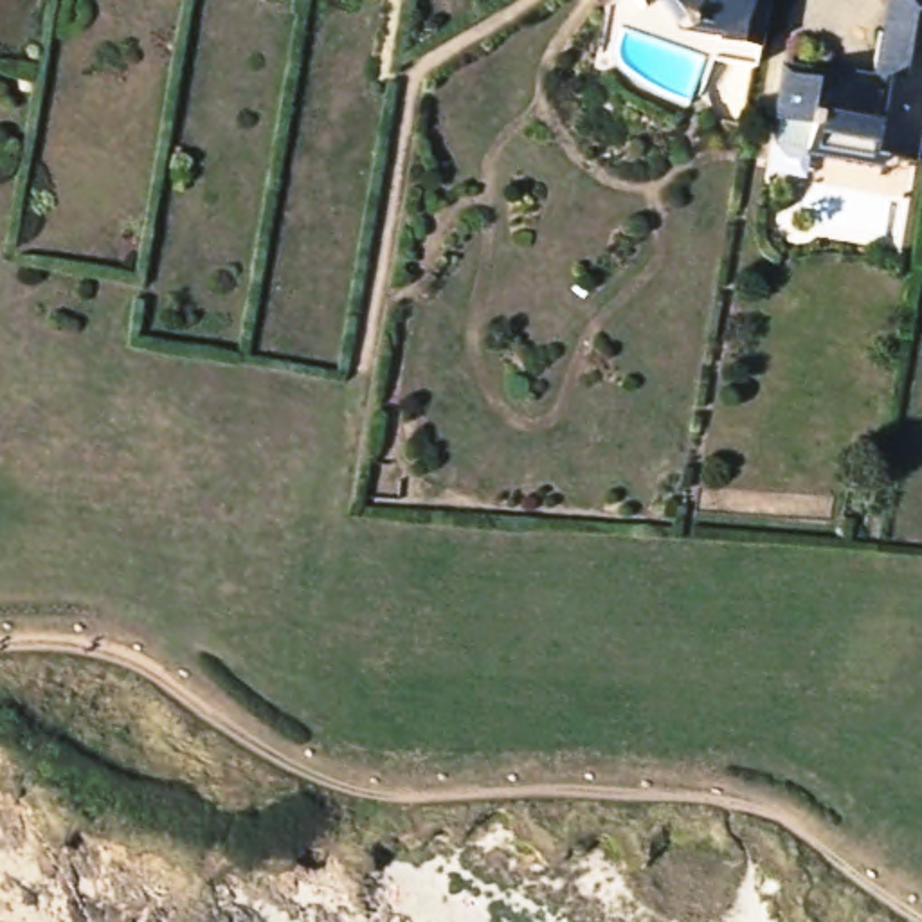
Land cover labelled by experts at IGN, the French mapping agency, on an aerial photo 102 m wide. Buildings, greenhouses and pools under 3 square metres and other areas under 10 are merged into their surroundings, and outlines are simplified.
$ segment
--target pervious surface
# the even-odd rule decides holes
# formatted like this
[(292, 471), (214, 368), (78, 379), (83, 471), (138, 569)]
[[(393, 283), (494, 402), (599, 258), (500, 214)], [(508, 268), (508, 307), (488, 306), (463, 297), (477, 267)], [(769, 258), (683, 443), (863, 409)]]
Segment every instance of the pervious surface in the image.
[(738, 900), (724, 922), (774, 922), (767, 904), (778, 893), (778, 882), (764, 879), (749, 864), (738, 886)]
[(544, 47), (544, 61), (551, 68), (562, 50), (569, 50), (583, 22), (612, 36), (616, 0), (576, 0), (558, 25)]
[(619, 504), (612, 501), (562, 504), (540, 504), (540, 515), (616, 519)]
[(695, 486), (695, 504), (706, 511), (746, 511), (771, 515), (774, 522), (814, 526), (821, 515), (832, 511), (828, 497), (753, 493), (731, 486)]
[(382, 803), (497, 796), (717, 803), (728, 810), (782, 821), (818, 854), (825, 854), (846, 879), (861, 882), (872, 897), (879, 897), (911, 922), (922, 922), (922, 908), (915, 904), (915, 875), (890, 868), (882, 854), (846, 839), (836, 828), (818, 821), (810, 810), (796, 807), (792, 800), (728, 778), (717, 782), (717, 789), (652, 789), (598, 785), (594, 771), (580, 771), (576, 782), (407, 789), (382, 782), (371, 767), (328, 760), (306, 746), (274, 735), (263, 720), (241, 710), (234, 699), (227, 699), (209, 677), (205, 684), (194, 684), (187, 670), (169, 670), (162, 659), (140, 652), (137, 645), (122, 645), (94, 616), (76, 616), (76, 630), (36, 630), (29, 619), (0, 619), (0, 652), (47, 648), (133, 666), (158, 681), (166, 692), (173, 692), (180, 702), (187, 702), (198, 717), (223, 728), (227, 735), (234, 735), (259, 756), (281, 764), (285, 771), (303, 774), (310, 785), (335, 792)]
[(411, 439), (418, 429), (411, 421), (396, 425), (389, 461), (378, 475), (378, 504), (457, 504), (497, 511), (501, 497), (432, 490), (411, 461)]
[(483, 191), (461, 194), (436, 212), (436, 227), (425, 238), (421, 267), (443, 263), (443, 249), (468, 209), (490, 205), (497, 212), (504, 205), (501, 162), (486, 155), (479, 180)]
[(641, 194), (652, 212), (663, 209), (666, 198), (655, 180), (627, 180), (609, 173), (580, 151), (576, 140), (562, 151), (598, 184)]
[(378, 367), (389, 310), (400, 299), (411, 303), (418, 303), (429, 292), (418, 281), (393, 285), (393, 270), (400, 263), (400, 231), (407, 223), (407, 173), (414, 148), (421, 144), (418, 101), (425, 94), (429, 79), (443, 61), (493, 36), (508, 22), (540, 7), (544, 0), (511, 0), (479, 25), (421, 54), (414, 68), (400, 65), (393, 72), (403, 0), (389, 0), (389, 25), (378, 58), (382, 79), (396, 79), (403, 90), (396, 90), (393, 101), (393, 133), (385, 144), (378, 209), (357, 310), (349, 360), (353, 375), (357, 367)]

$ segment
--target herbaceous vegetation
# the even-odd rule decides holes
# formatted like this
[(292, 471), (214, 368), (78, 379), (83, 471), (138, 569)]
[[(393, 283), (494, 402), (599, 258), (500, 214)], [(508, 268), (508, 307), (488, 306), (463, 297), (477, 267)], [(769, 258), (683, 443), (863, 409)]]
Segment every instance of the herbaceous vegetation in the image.
[(36, 32), (40, 25), (36, 0), (0, 0), (0, 43), (29, 58), (40, 58), (40, 47), (25, 47), (25, 32)]
[(173, 184), (169, 241), (162, 252), (158, 281), (144, 277), (144, 295), (155, 295), (158, 310), (176, 313), (176, 292), (191, 288), (191, 295), (205, 310), (202, 321), (187, 321), (187, 335), (194, 339), (238, 335), (241, 281), (234, 292), (212, 295), (205, 292), (205, 281), (220, 274), (231, 259), (249, 263), (249, 238), (267, 158), (267, 126), (281, 76), (288, 0), (191, 0), (180, 90), (169, 130), (169, 148), (187, 158), (187, 184)]
[(68, 807), (83, 821), (94, 821), (101, 814), (122, 814), (140, 836), (166, 836), (187, 850), (220, 850), (231, 861), (238, 861), (241, 872), (256, 872), (267, 861), (292, 861), (299, 846), (313, 850), (317, 839), (339, 836), (335, 792), (310, 785), (270, 807), (223, 810), (216, 800), (205, 800), (191, 782), (180, 778), (148, 774), (144, 785), (133, 785), (115, 774), (104, 774), (76, 753), (68, 753), (65, 746), (58, 746), (54, 738), (29, 731), (11, 710), (0, 710), (0, 749), (32, 767), (36, 785), (50, 789), (54, 803)]
[(583, 22), (569, 50), (580, 54), (576, 72), (594, 68), (598, 47), (609, 47), (612, 36)]
[[(65, 249), (119, 259), (130, 252), (144, 252), (151, 245), (155, 216), (144, 209), (140, 194), (151, 130), (158, 119), (158, 83), (162, 68), (169, 65), (176, 0), (97, 0), (97, 22), (86, 32), (76, 32), (68, 43), (50, 40), (43, 83), (36, 86), (32, 79), (18, 79), (18, 90), (40, 90), (32, 158), (47, 158), (47, 169), (54, 176), (54, 187), (36, 191), (32, 198), (32, 212), (47, 220), (47, 227), (32, 238), (36, 249)], [(94, 58), (94, 50), (108, 40), (126, 36), (140, 40), (144, 58), (130, 68), (86, 76), (83, 65)]]
[(753, 533), (659, 537), (655, 529), (648, 529), (645, 540), (616, 540), (601, 529), (501, 533), (457, 522), (400, 522), (357, 515), (353, 504), (364, 486), (371, 421), (378, 411), (378, 367), (357, 367), (353, 375), (328, 378), (313, 367), (259, 360), (281, 349), (335, 360), (342, 288), (375, 126), (375, 101), (364, 83), (364, 61), (378, 58), (389, 25), (389, 0), (306, 0), (299, 79), (292, 97), (274, 220), (259, 277), (259, 303), (252, 321), (252, 364), (209, 367), (173, 360), (169, 353), (133, 353), (122, 346), (122, 303), (115, 285), (83, 281), (76, 292), (65, 277), (54, 277), (47, 270), (14, 270), (4, 252), (7, 245), (0, 245), (0, 619), (29, 619), (36, 630), (76, 630), (76, 616), (94, 616), (122, 645), (137, 645), (140, 652), (162, 659), (169, 670), (187, 670), (194, 684), (205, 684), (209, 677), (198, 666), (202, 655), (223, 659), (263, 699), (310, 724), (313, 738), (306, 746), (328, 760), (371, 767), (382, 782), (407, 789), (576, 782), (580, 771), (594, 771), (598, 785), (652, 789), (717, 789), (717, 782), (728, 778), (731, 764), (746, 764), (803, 782), (843, 814), (836, 828), (846, 839), (882, 854), (890, 868), (915, 875), (915, 904), (922, 908), (922, 555), (832, 547)]
[[(742, 454), (742, 472), (731, 486), (753, 493), (828, 497), (832, 479), (839, 472), (839, 450), (861, 443), (864, 436), (882, 472), (890, 479), (904, 479), (897, 537), (922, 544), (922, 285), (915, 299), (908, 371), (900, 378), (897, 371), (886, 371), (872, 360), (872, 353), (886, 342), (890, 313), (908, 295), (904, 281), (893, 270), (854, 263), (843, 277), (836, 263), (825, 256), (821, 267), (789, 277), (789, 270), (778, 263), (753, 263), (753, 274), (764, 281), (771, 299), (749, 299), (742, 313), (767, 313), (767, 371), (760, 375), (756, 396), (746, 403), (702, 400), (702, 371), (710, 364), (710, 339), (717, 328), (717, 285), (728, 256), (728, 231), (735, 220), (738, 194), (753, 198), (756, 166), (756, 162), (710, 162), (699, 169), (699, 184), (688, 205), (666, 198), (663, 209), (652, 212), (641, 194), (598, 184), (562, 151), (576, 140), (576, 130), (558, 119), (544, 94), (551, 68), (544, 61), (544, 47), (558, 25), (533, 25), (511, 43), (504, 43), (497, 76), (475, 61), (454, 72), (443, 86), (429, 79), (425, 94), (439, 101), (443, 137), (429, 144), (436, 158), (436, 176), (454, 180), (454, 169), (461, 169), (479, 180), (486, 155), (501, 162), (504, 205), (497, 212), (497, 220), (468, 241), (465, 259), (454, 267), (447, 288), (429, 292), (418, 303), (411, 303), (403, 364), (393, 389), (393, 403), (421, 389), (429, 393), (429, 407), (411, 421), (418, 429), (411, 439), (411, 461), (432, 490), (501, 497), (508, 490), (533, 493), (540, 486), (551, 486), (562, 493), (562, 504), (612, 501), (612, 486), (630, 486), (648, 519), (663, 519), (666, 475), (681, 475), (688, 461), (710, 457), (717, 450)], [(594, 263), (605, 245), (627, 234), (630, 220), (652, 227), (652, 238), (641, 241), (634, 256), (627, 256), (627, 263), (616, 267), (601, 285), (583, 288), (580, 267)], [(515, 313), (526, 317), (526, 328), (537, 342), (562, 342), (569, 349), (562, 360), (544, 367), (551, 393), (537, 400), (529, 396), (526, 403), (504, 396), (504, 378), (511, 378), (526, 364), (522, 349), (483, 346), (486, 324), (493, 317)]]

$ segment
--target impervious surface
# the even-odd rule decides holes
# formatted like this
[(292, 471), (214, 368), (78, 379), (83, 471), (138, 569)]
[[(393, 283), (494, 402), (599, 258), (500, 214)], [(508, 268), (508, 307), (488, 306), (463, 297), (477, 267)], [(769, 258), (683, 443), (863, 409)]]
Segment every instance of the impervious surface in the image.
[(875, 25), (886, 14), (886, 0), (807, 0), (803, 22), (807, 29), (836, 32), (846, 50), (868, 50), (875, 68), (882, 65), (882, 32)]
[(594, 68), (619, 68), (641, 90), (659, 94), (673, 104), (724, 104), (738, 115), (749, 104), (774, 133), (756, 162), (756, 166), (771, 176), (800, 176), (810, 187), (800, 202), (778, 212), (778, 231), (792, 245), (836, 238), (864, 245), (882, 238), (900, 249), (908, 231), (908, 198), (915, 187), (915, 162), (904, 158), (893, 173), (836, 158), (828, 158), (821, 169), (810, 166), (810, 144), (828, 112), (818, 108), (810, 112), (810, 119), (785, 126), (778, 122), (771, 94), (782, 90), (789, 61), (778, 54), (764, 50), (753, 40), (706, 32), (699, 11), (688, 11), (670, 0), (616, 0), (612, 36), (609, 47), (598, 47)]

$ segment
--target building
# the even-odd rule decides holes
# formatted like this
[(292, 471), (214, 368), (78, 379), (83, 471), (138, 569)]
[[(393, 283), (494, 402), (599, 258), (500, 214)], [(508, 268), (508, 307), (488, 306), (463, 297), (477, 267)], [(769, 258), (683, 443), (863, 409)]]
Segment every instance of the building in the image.
[(778, 54), (789, 29), (803, 22), (807, 0), (670, 0), (688, 11), (699, 11), (706, 32), (753, 40), (764, 50)]
[(882, 32), (882, 65), (875, 68), (868, 50), (846, 50), (832, 61), (789, 61), (782, 90), (771, 94), (778, 122), (785, 126), (810, 119), (810, 112), (818, 108), (828, 112), (810, 144), (810, 166), (821, 169), (828, 158), (836, 158), (893, 173), (904, 158), (915, 162), (922, 158), (922, 0), (886, 0), (886, 14), (875, 25)]

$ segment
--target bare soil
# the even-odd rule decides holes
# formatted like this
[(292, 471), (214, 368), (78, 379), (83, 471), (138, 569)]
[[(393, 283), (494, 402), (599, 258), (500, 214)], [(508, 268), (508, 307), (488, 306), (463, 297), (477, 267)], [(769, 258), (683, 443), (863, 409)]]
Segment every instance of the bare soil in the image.
[(140, 836), (122, 814), (101, 814), (94, 821), (83, 821), (68, 807), (54, 803), (50, 789), (36, 785), (32, 767), (0, 749), (0, 922), (724, 922), (738, 900), (738, 886), (749, 864), (764, 879), (778, 882), (778, 893), (767, 904), (774, 922), (911, 922), (879, 897), (872, 897), (861, 882), (846, 879), (825, 854), (818, 854), (782, 821), (728, 810), (717, 803), (497, 796), (382, 803), (335, 792), (339, 836), (317, 839), (313, 850), (299, 846), (292, 861), (267, 861), (256, 872), (241, 872), (238, 861), (231, 861), (220, 850), (187, 850), (166, 836)]
[(0, 710), (11, 710), (29, 731), (54, 738), (58, 746), (65, 746), (68, 753), (76, 753), (104, 774), (115, 774), (133, 785), (144, 785), (148, 774), (180, 778), (191, 782), (205, 800), (216, 800), (223, 810), (270, 807), (310, 785), (303, 774), (285, 771), (281, 764), (259, 756), (234, 735), (227, 735), (223, 728), (198, 717), (187, 702), (180, 702), (173, 692), (166, 692), (158, 681), (133, 666), (47, 648), (0, 652)]

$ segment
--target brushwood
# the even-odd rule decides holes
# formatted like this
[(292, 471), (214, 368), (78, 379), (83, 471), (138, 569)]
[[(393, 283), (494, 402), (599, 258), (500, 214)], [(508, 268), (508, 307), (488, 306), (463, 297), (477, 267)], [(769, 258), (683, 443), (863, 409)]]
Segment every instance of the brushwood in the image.
[(497, 76), (504, 43), (511, 43), (533, 25), (558, 25), (576, 0), (544, 0), (540, 7), (508, 22), (493, 36), (443, 61), (429, 79), (443, 86), (454, 72), (475, 61)]
[(630, 220), (627, 234), (605, 245), (594, 263), (580, 267), (583, 288), (601, 285), (616, 267), (627, 263), (627, 256), (634, 256), (641, 241), (652, 238), (652, 227)]
[(803, 22), (789, 29), (778, 54), (789, 61), (832, 61), (846, 50), (836, 32), (807, 29)]
[(169, 65), (162, 68), (158, 83), (158, 119), (151, 130), (140, 194), (144, 209), (155, 216), (151, 245), (144, 252), (130, 252), (119, 259), (65, 249), (36, 249), (32, 238), (47, 227), (47, 220), (32, 212), (32, 198), (36, 191), (54, 187), (54, 176), (47, 169), (47, 158), (32, 158), (40, 90), (18, 90), (18, 79), (32, 79), (36, 86), (43, 83), (50, 40), (68, 43), (76, 32), (86, 32), (97, 22), (97, 0), (36, 0), (40, 25), (36, 32), (25, 32), (25, 47), (40, 47), (40, 58), (29, 58), (0, 43), (0, 245), (7, 245), (4, 252), (14, 270), (47, 270), (54, 277), (65, 277), (76, 292), (83, 281), (115, 285), (122, 303), (122, 346), (133, 353), (169, 353), (173, 360), (209, 367), (252, 364), (252, 321), (259, 303), (259, 277), (274, 220), (292, 97), (299, 79), (306, 0), (288, 0), (281, 76), (267, 126), (267, 158), (249, 238), (249, 263), (231, 259), (220, 274), (205, 281), (205, 292), (212, 295), (234, 292), (241, 281), (238, 335), (194, 339), (187, 335), (187, 321), (202, 321), (205, 310), (191, 295), (191, 288), (176, 292), (176, 313), (158, 310), (155, 295), (144, 295), (144, 277), (158, 281), (162, 252), (169, 241), (173, 184), (187, 184), (187, 158), (169, 148), (169, 130), (180, 90), (191, 0), (176, 0)]
[(209, 677), (227, 699), (234, 699), (241, 710), (263, 720), (274, 735), (306, 746), (313, 738), (310, 724), (263, 699), (223, 659), (202, 655), (198, 666)]
[(393, 285), (418, 281), (429, 292), (447, 288), (454, 267), (465, 259), (468, 241), (497, 220), (497, 212), (490, 205), (468, 209), (443, 249), (443, 263), (421, 267), (425, 238), (436, 227), (436, 212), (461, 194), (483, 191), (479, 180), (461, 169), (454, 169), (454, 180), (436, 176), (436, 158), (429, 144), (443, 137), (439, 101), (425, 94), (418, 101), (421, 144), (414, 148), (407, 173), (407, 223), (400, 231), (400, 263), (393, 270)]
[(821, 267), (825, 256), (836, 263), (843, 277), (854, 263), (893, 270), (904, 281), (908, 295), (890, 313), (886, 342), (872, 353), (872, 360), (886, 371), (897, 371), (900, 378), (908, 371), (915, 299), (922, 285), (922, 158), (915, 162), (915, 187), (908, 198), (908, 231), (900, 249), (882, 238), (864, 245), (836, 238), (792, 245), (778, 231), (778, 212), (800, 202), (810, 187), (800, 176), (771, 176), (756, 166), (753, 198), (738, 194), (735, 220), (728, 231), (728, 256), (717, 285), (717, 328), (710, 339), (710, 364), (702, 371), (702, 400), (746, 403), (756, 396), (760, 375), (767, 371), (767, 313), (742, 313), (749, 299), (771, 299), (764, 281), (753, 274), (753, 263), (778, 263), (789, 270), (789, 277)]
[(619, 504), (616, 519), (540, 515), (540, 504), (562, 504), (562, 493), (551, 486), (540, 486), (533, 493), (508, 490), (501, 497), (497, 511), (457, 504), (378, 504), (378, 475), (389, 461), (396, 425), (411, 421), (429, 407), (429, 393), (421, 389), (393, 403), (393, 389), (403, 364), (411, 303), (400, 299), (389, 310), (378, 367), (378, 411), (371, 421), (364, 486), (353, 504), (357, 515), (400, 522), (457, 522), (501, 533), (601, 529), (616, 540), (645, 540), (648, 529), (655, 529), (659, 537), (753, 533), (832, 547), (922, 555), (922, 544), (897, 537), (904, 479), (890, 479), (882, 472), (875, 490), (882, 537), (868, 533), (861, 511), (843, 515), (846, 533), (814, 526), (774, 522), (771, 515), (746, 511), (706, 511), (695, 504), (695, 486), (731, 486), (742, 472), (742, 454), (717, 450), (710, 457), (688, 461), (681, 475), (666, 475), (663, 519), (648, 519), (630, 486), (612, 486), (612, 501)]
[(403, 0), (393, 72), (400, 65), (414, 68), (421, 54), (479, 25), (511, 0)]
[(94, 58), (83, 65), (86, 76), (130, 68), (144, 58), (140, 40), (126, 36), (108, 40), (94, 50)]
[(357, 310), (378, 209), (385, 144), (393, 133), (393, 101), (396, 90), (403, 90), (396, 79), (382, 79), (378, 58), (364, 61), (364, 83), (375, 101), (375, 126), (342, 288), (335, 360), (281, 349), (259, 360), (313, 367), (328, 378), (353, 375), (349, 360)]
[(836, 828), (843, 814), (803, 782), (746, 764), (731, 764), (728, 778), (792, 800), (796, 807), (810, 810), (818, 821)]
[(699, 169), (710, 162), (756, 162), (774, 133), (749, 104), (738, 115), (724, 104), (673, 104), (659, 94), (641, 90), (619, 68), (594, 68), (576, 72), (580, 54), (569, 50), (562, 50), (551, 68), (544, 94), (558, 119), (576, 130), (576, 140), (580, 151), (609, 173), (627, 180), (655, 180), (666, 198), (688, 205), (699, 184)]
[(486, 324), (483, 346), (522, 349), (526, 364), (511, 378), (504, 378), (504, 396), (526, 403), (529, 396), (537, 400), (551, 393), (544, 367), (562, 360), (569, 349), (562, 342), (537, 342), (526, 328), (526, 317), (515, 313), (493, 317)]

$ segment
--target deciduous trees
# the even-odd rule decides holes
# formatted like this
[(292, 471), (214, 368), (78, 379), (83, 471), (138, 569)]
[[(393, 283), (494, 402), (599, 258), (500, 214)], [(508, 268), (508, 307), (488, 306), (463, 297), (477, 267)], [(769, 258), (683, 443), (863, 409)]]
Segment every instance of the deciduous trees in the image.
[(821, 515), (814, 526), (846, 533), (843, 515), (861, 511), (868, 533), (882, 537), (875, 490), (882, 472), (864, 436), (861, 443), (839, 450), (839, 472), (832, 479), (828, 497), (832, 511)]

